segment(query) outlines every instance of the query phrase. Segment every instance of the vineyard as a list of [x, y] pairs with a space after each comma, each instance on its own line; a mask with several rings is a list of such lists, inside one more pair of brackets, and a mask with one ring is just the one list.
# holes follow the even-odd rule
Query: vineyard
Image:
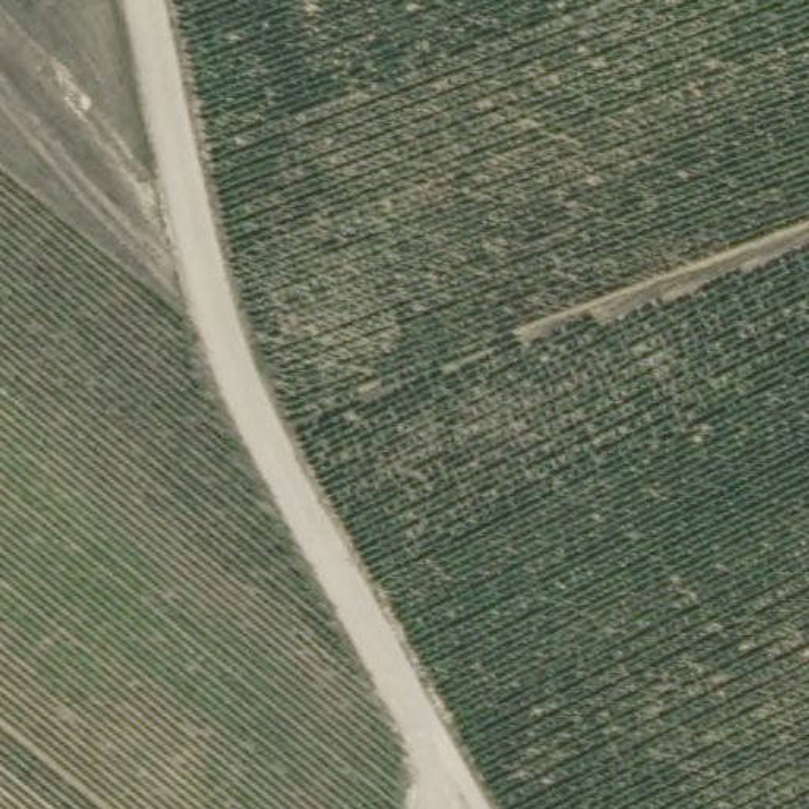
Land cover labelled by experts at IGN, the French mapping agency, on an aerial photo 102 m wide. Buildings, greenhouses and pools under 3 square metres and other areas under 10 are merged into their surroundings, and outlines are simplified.
[[22, 190], [9, 174], [0, 171], [0, 809], [411, 809], [405, 803], [411, 781], [405, 768], [405, 746], [401, 736], [392, 730], [392, 714], [379, 702], [370, 670], [363, 667], [348, 632], [341, 629], [335, 607], [316, 581], [307, 556], [294, 544], [291, 528], [281, 518], [281, 509], [269, 484], [259, 477], [250, 449], [237, 436], [234, 417], [212, 376], [202, 338], [190, 313], [167, 303], [155, 284], [130, 275], [98, 246], [92, 246], [54, 209], [47, 209], [38, 196]]
[[228, 262], [240, 319], [246, 325], [246, 344], [253, 351], [256, 370], [275, 401], [284, 430], [300, 446], [303, 461], [310, 465], [335, 518], [351, 537], [360, 566], [367, 569], [370, 581], [386, 591], [389, 607], [401, 623], [411, 651], [420, 660], [420, 686], [433, 686], [446, 711], [452, 714], [449, 733], [458, 743], [468, 768], [487, 790], [484, 809], [809, 809], [809, 0], [167, 0], [174, 3], [171, 25], [196, 152], [209, 183], [221, 253]]

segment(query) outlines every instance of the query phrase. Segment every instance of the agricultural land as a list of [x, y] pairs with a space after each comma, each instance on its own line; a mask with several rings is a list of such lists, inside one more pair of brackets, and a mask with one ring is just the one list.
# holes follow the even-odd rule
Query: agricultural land
[[142, 111], [136, 54], [123, 0], [0, 0], [0, 171], [9, 174], [22, 190], [38, 196], [47, 209], [54, 209], [92, 246], [98, 246], [130, 275], [155, 284], [167, 303], [190, 313], [180, 278], [180, 256], [167, 234], [167, 199]]

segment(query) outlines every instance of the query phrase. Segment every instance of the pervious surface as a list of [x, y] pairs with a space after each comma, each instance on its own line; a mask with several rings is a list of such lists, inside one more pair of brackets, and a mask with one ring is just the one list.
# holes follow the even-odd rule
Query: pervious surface
[[142, 111], [167, 199], [167, 234], [180, 256], [180, 278], [190, 313], [202, 338], [212, 376], [234, 417], [237, 436], [250, 449], [259, 477], [269, 484], [281, 509], [281, 518], [291, 528], [294, 544], [307, 556], [316, 581], [335, 607], [341, 629], [348, 632], [363, 667], [370, 670], [379, 702], [392, 714], [392, 730], [401, 736], [405, 746], [405, 768], [411, 781], [405, 803], [411, 809], [484, 809], [487, 790], [468, 768], [458, 743], [449, 733], [452, 714], [446, 711], [433, 686], [420, 686], [420, 660], [411, 651], [401, 623], [389, 607], [386, 591], [370, 581], [367, 569], [360, 566], [351, 537], [335, 518], [310, 465], [303, 461], [300, 446], [284, 430], [275, 401], [256, 370], [253, 351], [246, 344], [246, 325], [240, 319], [228, 262], [221, 253], [209, 183], [196, 152], [171, 25], [174, 3], [167, 0], [123, 0], [136, 54]]

